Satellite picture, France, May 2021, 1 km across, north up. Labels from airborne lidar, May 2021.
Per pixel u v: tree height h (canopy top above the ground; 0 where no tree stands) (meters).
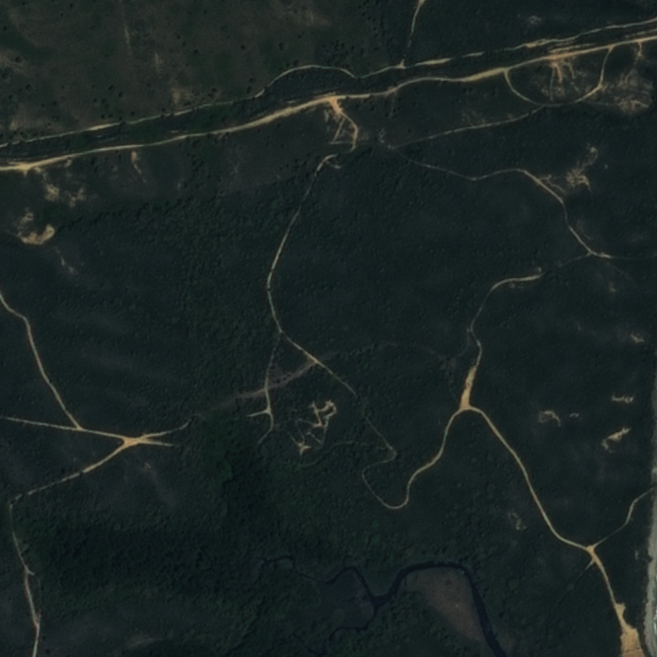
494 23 7
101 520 12
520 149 5
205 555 20
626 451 0
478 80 0
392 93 0
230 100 0
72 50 0
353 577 0
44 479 8
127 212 8
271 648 19
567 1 6
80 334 5
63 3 0
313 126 0
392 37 7
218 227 8
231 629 7
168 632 10
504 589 8
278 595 10
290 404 6
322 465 9
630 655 0
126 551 25
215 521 11
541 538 7
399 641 8
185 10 0
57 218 0
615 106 0
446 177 6
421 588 0
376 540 12
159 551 27
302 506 9
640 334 0
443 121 0
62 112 0
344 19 0
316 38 0
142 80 0
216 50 0
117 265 6
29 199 0
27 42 0
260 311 6
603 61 0
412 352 6
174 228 10
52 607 9
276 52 0
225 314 8
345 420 6
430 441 6
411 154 7
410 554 10
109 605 8
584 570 6
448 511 6
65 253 0
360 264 6
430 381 6
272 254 5
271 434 8
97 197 0
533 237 5
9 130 0
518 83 0
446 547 6
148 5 0
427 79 0
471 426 6
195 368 9
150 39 0
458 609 0
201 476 8
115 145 0
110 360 0
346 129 0
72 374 6
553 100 0
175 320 9
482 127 0
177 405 8
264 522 13
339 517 7
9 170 0
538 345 6
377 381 7
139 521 9
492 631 0
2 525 10
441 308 6
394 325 6
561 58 0
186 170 0
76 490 6
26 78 0
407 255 6
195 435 10
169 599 7
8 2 0
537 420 0
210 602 11
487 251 6
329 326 7
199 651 15
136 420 7
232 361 9
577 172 0
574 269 7
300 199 8
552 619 7
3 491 10
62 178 0
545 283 6
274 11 0
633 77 0
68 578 16
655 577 0
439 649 7
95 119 0
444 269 7
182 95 0
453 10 6
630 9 6
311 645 9
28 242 0
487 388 6
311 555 19
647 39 0
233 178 0
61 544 6
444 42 6
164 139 0
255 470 18
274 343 8
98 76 0
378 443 8
